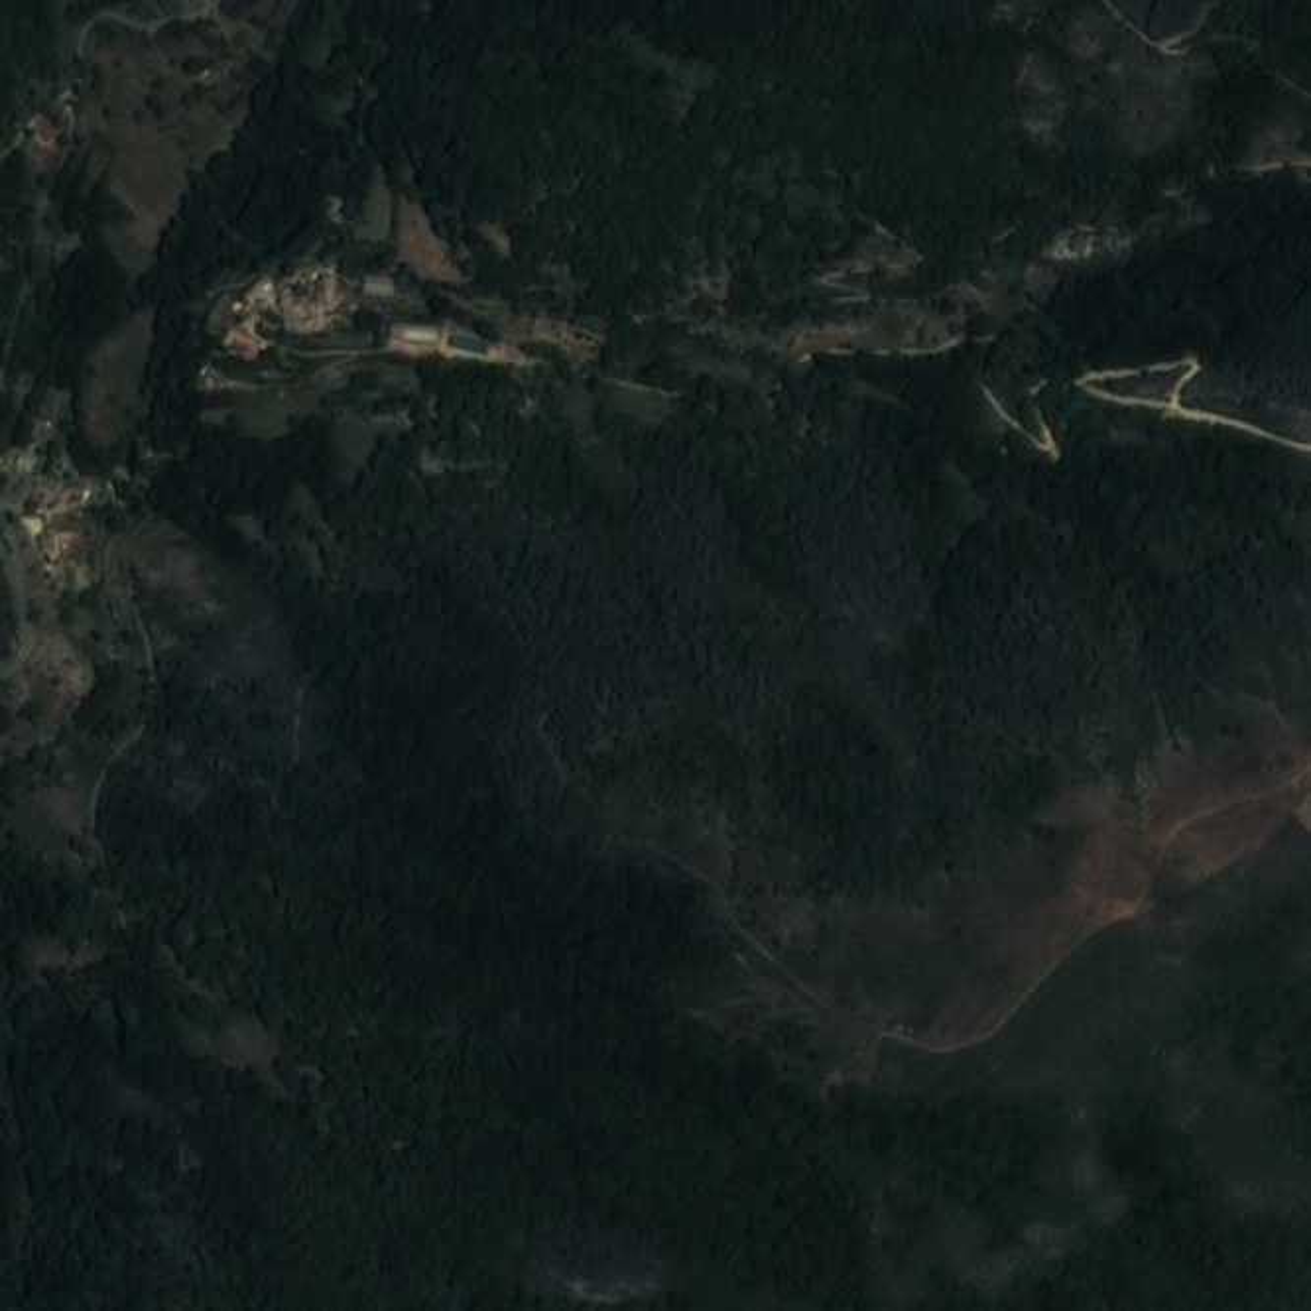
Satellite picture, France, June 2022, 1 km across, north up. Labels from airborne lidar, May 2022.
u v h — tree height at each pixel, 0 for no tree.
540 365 8
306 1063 14
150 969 12
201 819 8
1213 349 10
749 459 10
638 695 13
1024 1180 8
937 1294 7
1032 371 9
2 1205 13
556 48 12
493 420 12
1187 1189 11
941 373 17
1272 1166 0
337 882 14
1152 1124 6
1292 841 0
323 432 22
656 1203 18
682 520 7
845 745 8
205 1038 0
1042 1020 0
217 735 8
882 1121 13
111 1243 10
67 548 0
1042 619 9
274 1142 8
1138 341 17
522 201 13
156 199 0
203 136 0
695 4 19
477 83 21
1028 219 12
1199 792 0
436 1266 13
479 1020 6
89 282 19
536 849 9
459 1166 18
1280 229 17
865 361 22
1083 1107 0
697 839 0
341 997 13
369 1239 12
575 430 7
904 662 8
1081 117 6
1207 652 8
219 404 10
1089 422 15
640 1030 14
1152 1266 15
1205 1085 0
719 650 10
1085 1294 9
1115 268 7
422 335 0
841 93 18
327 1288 14
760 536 17
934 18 17
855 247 9
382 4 23
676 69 19
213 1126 11
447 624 12
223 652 0
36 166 0
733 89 17
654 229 17
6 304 10
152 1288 6
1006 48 15
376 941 17
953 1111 7
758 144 19
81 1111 11
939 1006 0
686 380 19
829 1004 0
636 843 0
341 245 9
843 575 9
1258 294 15
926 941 0
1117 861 0
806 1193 9
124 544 0
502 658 11
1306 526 0
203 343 7
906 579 10
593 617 8
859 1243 10
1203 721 0
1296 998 8
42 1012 10
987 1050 0
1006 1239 8
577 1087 13
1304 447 0
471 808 18
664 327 13
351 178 20
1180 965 0
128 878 13
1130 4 0
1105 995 0
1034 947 0
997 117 18
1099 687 8
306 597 12
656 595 8
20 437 18
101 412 0
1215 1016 9
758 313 9
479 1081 15
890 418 18
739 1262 9
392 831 10
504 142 19
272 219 15
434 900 18
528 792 13
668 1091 11
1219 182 14
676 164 16
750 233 22
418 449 14
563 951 12
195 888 15
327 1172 17
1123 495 14
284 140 24
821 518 10
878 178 21
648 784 0
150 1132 11
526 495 10
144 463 9
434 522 8
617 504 7
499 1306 19
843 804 10
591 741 11
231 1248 11
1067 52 12
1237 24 7
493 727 10
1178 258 23
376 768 12
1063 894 0
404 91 16
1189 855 0
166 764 8
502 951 11
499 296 13
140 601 8
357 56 15
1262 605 8
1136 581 8
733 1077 6
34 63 14
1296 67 6
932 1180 6
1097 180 13
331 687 9
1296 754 0
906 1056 0
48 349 12
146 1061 17
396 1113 16
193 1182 6
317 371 0
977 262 13
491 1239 16
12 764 12
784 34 15
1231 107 22
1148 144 0
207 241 17
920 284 9
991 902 0
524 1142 21
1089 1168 0
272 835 10
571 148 11
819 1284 12
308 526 9
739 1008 0
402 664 18
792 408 13
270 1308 21
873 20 11
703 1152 18
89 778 0
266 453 22
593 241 17
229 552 9
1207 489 18
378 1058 15
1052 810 0
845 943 0
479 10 19
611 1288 0
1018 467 14
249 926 16
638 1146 18
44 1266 15
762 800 0
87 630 0
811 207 20
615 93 14
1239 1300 12
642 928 12
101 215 12
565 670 14
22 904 13
